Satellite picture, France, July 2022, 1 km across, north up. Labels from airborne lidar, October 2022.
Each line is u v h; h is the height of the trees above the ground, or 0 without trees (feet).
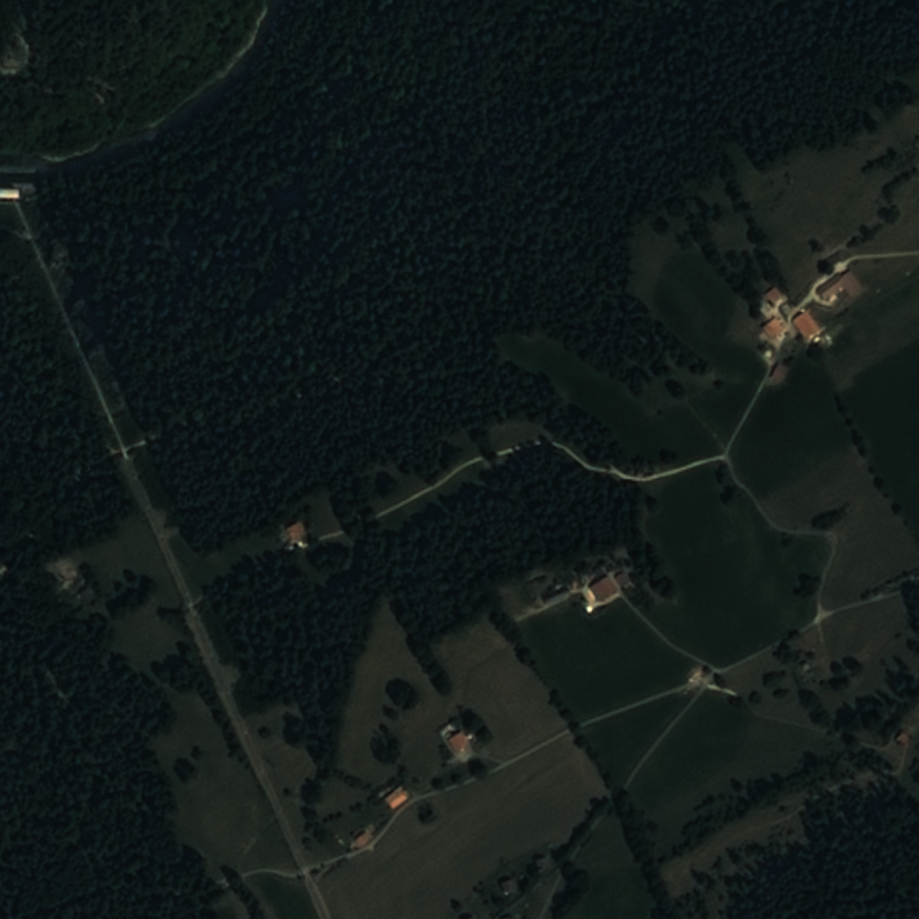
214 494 105
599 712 0
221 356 91
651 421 0
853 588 0
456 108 102
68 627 63
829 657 0
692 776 0
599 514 110
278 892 0
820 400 0
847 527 0
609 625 0
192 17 114
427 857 0
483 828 0
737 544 0
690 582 0
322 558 64
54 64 106
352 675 106
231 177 116
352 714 0
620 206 94
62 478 118
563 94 92
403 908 0
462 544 40
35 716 86
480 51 98
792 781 20
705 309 0
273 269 55
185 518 49
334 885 0
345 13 59
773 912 102
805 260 0
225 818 0
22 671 93
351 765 0
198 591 0
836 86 104
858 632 0
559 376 0
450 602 95
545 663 0
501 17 109
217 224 32
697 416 0
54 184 73
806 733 0
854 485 0
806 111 103
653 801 0
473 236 93
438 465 47
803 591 32
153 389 87
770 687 20
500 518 117
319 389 95
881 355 0
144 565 0
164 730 64
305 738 80
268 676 27
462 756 0
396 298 88
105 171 49
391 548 109
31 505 52
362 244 103
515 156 90
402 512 0
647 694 0
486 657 0
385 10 90
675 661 0
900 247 0
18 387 34
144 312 116
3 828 95
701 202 0
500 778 0
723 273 76
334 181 116
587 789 0
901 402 0
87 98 106
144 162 51
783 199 0
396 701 75
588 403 0
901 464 0
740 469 0
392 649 0
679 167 90
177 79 102
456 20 100
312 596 74
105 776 69
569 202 92
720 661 0
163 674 73
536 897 0
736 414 0
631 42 38
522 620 0
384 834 0
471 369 101
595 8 98
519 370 69
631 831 67
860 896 107
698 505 0
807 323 0
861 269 0
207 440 31
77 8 101
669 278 0
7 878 67
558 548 66
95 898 93
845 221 0
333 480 66
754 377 0
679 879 0
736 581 0
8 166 0
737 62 119
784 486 0
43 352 57
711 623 0
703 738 0
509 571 50
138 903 100
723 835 0
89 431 47
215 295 115
